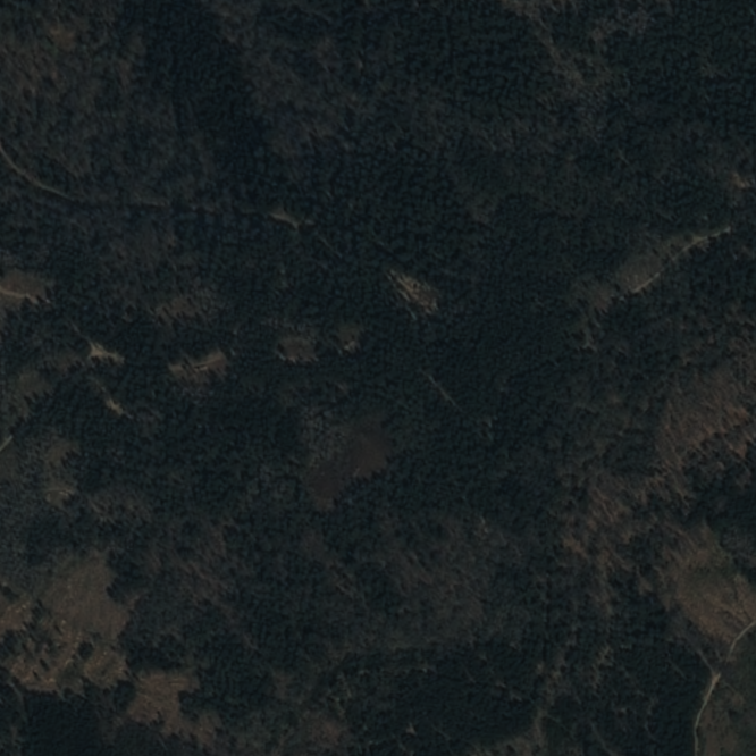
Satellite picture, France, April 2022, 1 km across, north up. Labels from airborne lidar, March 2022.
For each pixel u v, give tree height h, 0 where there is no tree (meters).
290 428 21
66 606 0
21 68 35
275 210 18
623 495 34
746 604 0
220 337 18
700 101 12
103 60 27
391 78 19
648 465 34
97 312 23
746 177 16
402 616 16
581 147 18
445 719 25
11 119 24
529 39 27
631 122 20
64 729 21
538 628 24
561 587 30
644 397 22
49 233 18
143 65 26
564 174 20
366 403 24
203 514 23
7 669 26
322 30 22
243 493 9
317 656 18
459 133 14
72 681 20
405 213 20
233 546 19
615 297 0
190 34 29
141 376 20
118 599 25
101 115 8
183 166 8
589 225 14
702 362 26
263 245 20
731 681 26
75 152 21
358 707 25
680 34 18
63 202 13
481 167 21
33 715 30
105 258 18
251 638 23
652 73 16
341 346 23
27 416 0
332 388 16
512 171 16
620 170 20
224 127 9
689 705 29
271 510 21
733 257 18
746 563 23
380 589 26
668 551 34
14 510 25
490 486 10
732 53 18
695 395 29
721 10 20
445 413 24
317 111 31
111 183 24
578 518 32
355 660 9
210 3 27
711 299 27
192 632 21
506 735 29
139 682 23
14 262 24
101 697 8
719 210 13
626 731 20
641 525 35
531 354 18
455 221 26
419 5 9
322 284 19
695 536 35
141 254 24
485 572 20
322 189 21
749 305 27
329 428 26
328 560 20
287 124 29
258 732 18
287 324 28
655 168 25
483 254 22
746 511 25
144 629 19
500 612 15
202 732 22
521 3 15
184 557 26
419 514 13
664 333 22
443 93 17
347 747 29
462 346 24
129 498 25
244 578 20
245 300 25
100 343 21
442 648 22
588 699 14
